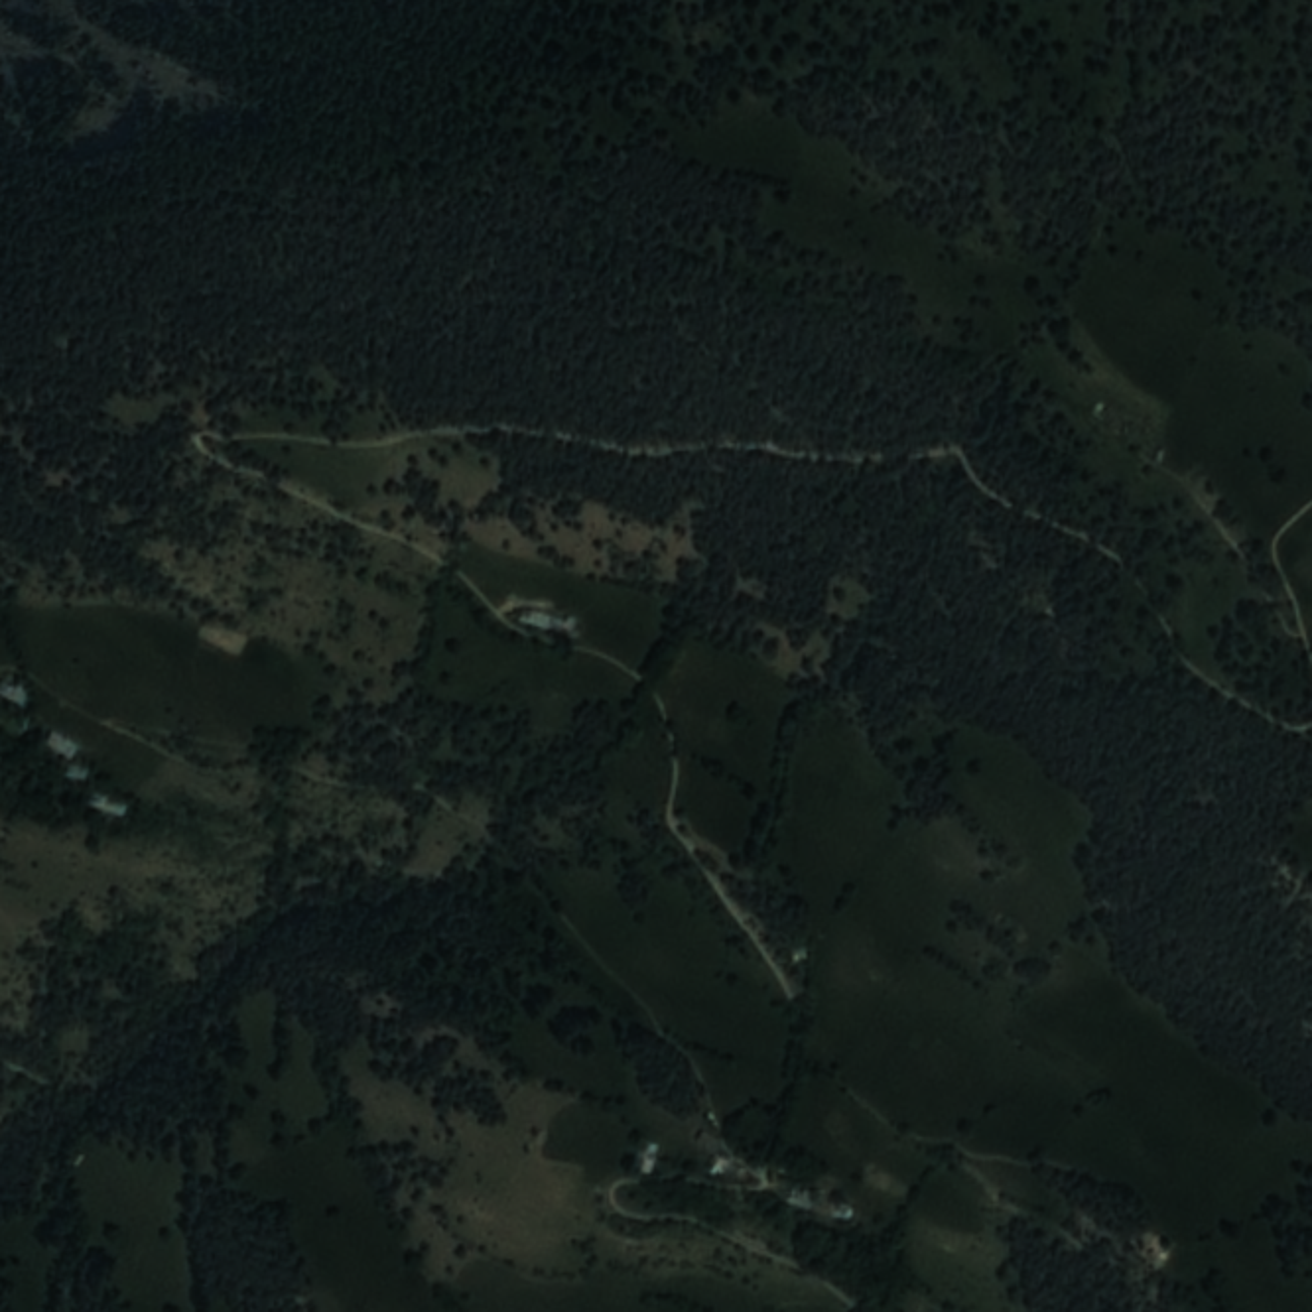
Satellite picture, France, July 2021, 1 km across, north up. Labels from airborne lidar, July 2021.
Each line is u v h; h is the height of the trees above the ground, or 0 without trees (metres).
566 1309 0
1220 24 14
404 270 9
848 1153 0
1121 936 15
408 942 25
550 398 16
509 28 17
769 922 8
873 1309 18
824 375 15
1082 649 12
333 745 7
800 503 15
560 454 12
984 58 0
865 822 0
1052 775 14
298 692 0
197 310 15
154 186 20
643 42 14
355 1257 0
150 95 7
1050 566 10
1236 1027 12
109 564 13
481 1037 11
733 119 0
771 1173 6
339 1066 8
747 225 13
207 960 13
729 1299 0
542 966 11
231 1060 32
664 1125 0
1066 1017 0
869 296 13
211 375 8
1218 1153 0
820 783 0
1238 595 0
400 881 15
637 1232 7
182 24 15
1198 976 11
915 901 0
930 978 0
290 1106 0
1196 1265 0
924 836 0
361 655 7
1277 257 14
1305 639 7
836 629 13
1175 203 10
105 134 0
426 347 15
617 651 0
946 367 14
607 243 18
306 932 16
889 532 14
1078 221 11
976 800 0
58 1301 19
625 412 15
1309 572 0
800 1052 11
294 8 16
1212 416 0
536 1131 8
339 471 0
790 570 16
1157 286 0
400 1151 11
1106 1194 17
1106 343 0
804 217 0
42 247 13
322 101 23
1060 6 0
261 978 15
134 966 7
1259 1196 0
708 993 0
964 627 19
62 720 0
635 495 14
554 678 0
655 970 0
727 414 12
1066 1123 0
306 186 12
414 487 10
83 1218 15
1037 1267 12
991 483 14
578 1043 27
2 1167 20
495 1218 0
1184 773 15
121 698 0
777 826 6
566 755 11
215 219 17
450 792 9
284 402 12
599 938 0
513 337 12
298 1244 22
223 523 12
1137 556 9
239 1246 14
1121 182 13
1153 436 0
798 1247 11
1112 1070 0
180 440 10
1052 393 10
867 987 0
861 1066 0
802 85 16
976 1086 0
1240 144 0
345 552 9
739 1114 10
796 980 6
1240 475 0
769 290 8
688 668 0
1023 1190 0
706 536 11
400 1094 0
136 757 0
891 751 10
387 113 22
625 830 0
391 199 10
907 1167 0
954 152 12
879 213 7
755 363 13
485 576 0
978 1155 0
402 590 12
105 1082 11
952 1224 0
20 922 0
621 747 10
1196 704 16
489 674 0
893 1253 22
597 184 15
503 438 14
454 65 23
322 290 12
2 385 16
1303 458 0
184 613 8
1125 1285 14
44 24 9
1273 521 0
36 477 11
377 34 18
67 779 10
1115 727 18
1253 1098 0
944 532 15
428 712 12
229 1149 19
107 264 15
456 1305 11
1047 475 16
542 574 0
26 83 13
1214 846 17
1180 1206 0
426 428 9
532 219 15
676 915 0
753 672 0
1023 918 0
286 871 15
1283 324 12
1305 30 19
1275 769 12
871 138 16
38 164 16
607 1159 0
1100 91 0
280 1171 0
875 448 15
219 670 0
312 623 0
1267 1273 0
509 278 15
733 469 14
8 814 9
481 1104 11
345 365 12
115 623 0
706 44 8
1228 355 0
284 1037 14
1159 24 13
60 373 17
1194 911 13
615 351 16
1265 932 9
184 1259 0
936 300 0
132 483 9
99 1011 15
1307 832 0
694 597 16
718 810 0
